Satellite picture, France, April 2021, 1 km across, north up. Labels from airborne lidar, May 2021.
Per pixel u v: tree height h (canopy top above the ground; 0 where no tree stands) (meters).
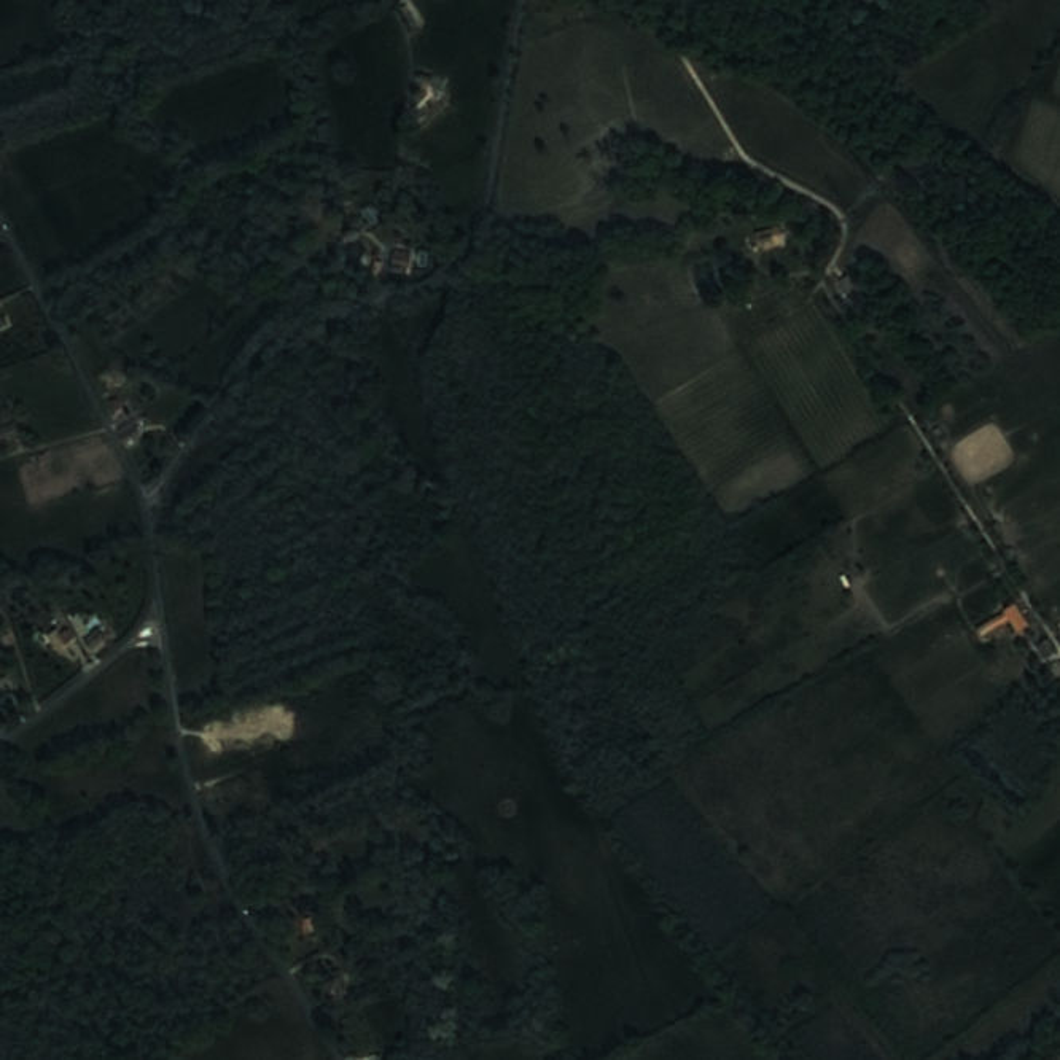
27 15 0
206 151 0
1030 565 0
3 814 0
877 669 0
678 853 11
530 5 7
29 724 0
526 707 0
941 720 0
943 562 0
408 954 19
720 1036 0
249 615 16
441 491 15
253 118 0
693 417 0
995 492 0
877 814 0
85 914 18
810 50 21
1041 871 0
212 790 0
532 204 0
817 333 0
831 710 0
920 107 12
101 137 0
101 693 0
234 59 15
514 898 16
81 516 0
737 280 20
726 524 10
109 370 0
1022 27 0
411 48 0
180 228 9
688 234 11
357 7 9
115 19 14
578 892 0
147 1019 21
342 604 21
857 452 6
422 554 12
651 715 11
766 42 14
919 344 22
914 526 0
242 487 19
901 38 22
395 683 20
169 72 17
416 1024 15
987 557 10
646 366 0
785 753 0
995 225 27
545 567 22
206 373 0
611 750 14
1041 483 0
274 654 10
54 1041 18
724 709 0
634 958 0
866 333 17
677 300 0
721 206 17
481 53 0
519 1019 20
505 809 0
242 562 13
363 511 7
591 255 25
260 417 19
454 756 0
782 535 0
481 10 0
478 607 0
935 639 0
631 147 13
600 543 20
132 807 20
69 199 0
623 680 9
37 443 8
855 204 0
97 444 0
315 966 15
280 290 24
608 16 9
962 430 0
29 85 0
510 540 24
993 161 21
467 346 22
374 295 22
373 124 0
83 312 13
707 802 0
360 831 23
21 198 0
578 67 0
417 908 25
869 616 0
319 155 21
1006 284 24
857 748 0
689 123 0
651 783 12
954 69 0
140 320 12
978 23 19
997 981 0
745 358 0
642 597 8
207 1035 25
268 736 0
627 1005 0
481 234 18
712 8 20
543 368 20
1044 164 0
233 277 22
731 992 21
